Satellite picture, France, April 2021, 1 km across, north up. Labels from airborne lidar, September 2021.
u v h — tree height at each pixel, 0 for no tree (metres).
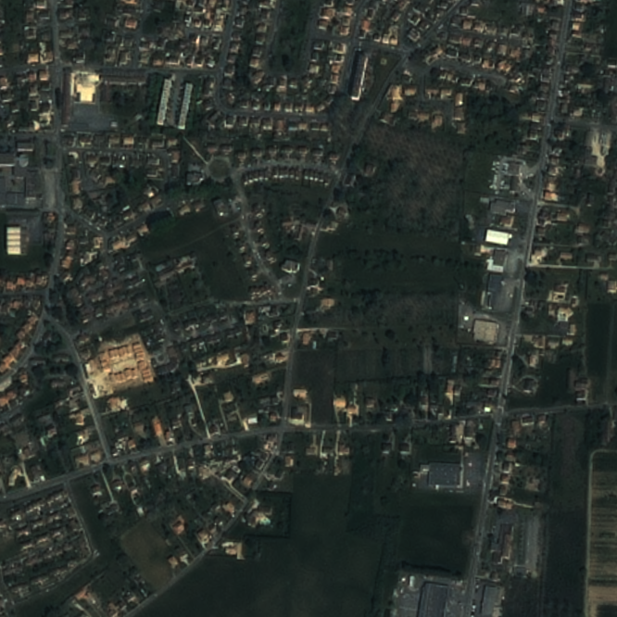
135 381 0
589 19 8
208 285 6
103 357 0
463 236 8
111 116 0
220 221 0
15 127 7
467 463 0
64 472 6
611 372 0
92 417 0
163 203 0
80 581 0
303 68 0
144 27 0
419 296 10
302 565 0
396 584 0
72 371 12
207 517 9
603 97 16
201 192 22
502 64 0
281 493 7
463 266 8
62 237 0
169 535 15
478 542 0
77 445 0
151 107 11
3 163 0
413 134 11
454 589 0
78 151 0
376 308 12
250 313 0
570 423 0
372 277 0
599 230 10
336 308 13
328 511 0
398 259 11
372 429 0
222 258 0
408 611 0
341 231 0
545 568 10
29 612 0
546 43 6
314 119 0
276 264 0
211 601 0
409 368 0
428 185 15
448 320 11
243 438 0
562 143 7
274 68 16
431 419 13
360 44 0
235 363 0
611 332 0
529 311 0
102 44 19
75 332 0
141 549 0
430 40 0
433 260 6
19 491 0
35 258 0
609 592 0
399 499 0
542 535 10
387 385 11
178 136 12
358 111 19
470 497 0
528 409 0
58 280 10
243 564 0
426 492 0
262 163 0
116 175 21
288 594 0
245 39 6
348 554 0
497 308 0
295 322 0
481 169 0
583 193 9
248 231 0
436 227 15
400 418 13
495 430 0
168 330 0
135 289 0
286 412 0
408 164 15
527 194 0
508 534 0
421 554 0
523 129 8
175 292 0
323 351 0
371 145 14
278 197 10
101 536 0
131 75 8
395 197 16
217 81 0
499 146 6
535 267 0
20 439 0
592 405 0
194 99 12
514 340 0
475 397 6
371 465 9
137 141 0
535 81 10
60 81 0
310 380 0
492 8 0
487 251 0
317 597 0
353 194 15
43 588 0
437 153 16
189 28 0
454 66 0
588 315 0
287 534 6
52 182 0
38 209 0
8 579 5
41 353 12
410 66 0
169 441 6
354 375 0
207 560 0
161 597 0
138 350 0
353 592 0
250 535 6
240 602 0
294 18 13
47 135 0
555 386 0
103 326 0
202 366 0
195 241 0
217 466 0
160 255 0
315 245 0
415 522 0
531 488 0
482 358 7
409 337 0
